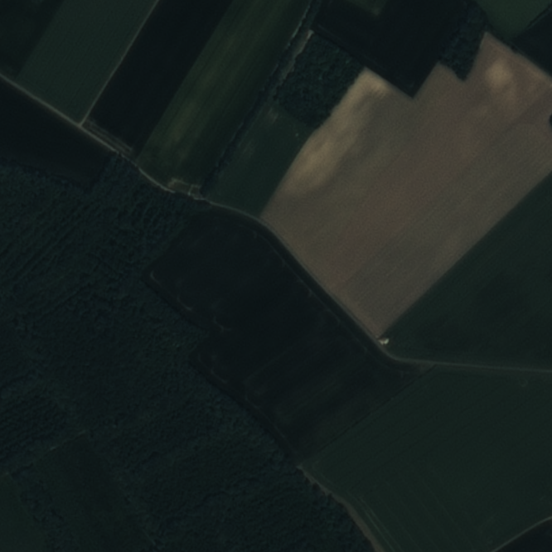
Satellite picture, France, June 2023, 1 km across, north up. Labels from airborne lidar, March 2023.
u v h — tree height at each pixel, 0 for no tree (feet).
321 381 0
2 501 0
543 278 0
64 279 70
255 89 0
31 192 60
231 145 30
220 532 74
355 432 0
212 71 0
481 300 0
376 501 0
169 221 49
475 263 0
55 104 0
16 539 0
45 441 71
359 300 0
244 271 0
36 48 0
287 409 0
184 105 0
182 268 0
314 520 25
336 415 0
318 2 39
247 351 0
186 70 0
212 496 57
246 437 38
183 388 65
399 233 0
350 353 0
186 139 0
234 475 36
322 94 51
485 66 0
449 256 0
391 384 0
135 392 73
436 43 0
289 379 0
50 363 77
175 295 0
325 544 40
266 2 0
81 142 0
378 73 0
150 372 52
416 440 0
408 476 0
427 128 0
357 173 0
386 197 0
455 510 0
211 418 45
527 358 0
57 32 0
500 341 0
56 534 61
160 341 54
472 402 0
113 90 0
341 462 0
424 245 0
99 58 0
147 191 40
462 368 0
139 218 52
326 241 0
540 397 0
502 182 0
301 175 0
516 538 0
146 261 32
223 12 0
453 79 0
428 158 0
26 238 60
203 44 0
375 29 0
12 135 0
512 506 0
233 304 0
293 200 0
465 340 0
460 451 0
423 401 0
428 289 0
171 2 0
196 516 54
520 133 0
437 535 0
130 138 0
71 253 71
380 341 0
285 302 0
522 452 0
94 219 55
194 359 0
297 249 0
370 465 0
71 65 0
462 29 38
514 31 0
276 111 0
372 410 0
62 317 74
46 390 39
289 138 0
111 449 61
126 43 0
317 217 0
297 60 38
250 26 0
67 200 42
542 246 0
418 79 0
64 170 0
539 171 0
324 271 0
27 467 63
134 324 67
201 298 0
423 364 0
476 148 0
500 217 0
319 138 0
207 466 32
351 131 0
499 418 0
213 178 54
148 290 54
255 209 0
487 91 0
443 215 0
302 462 0
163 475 47
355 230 0
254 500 32
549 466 0
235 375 0
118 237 60
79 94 0
